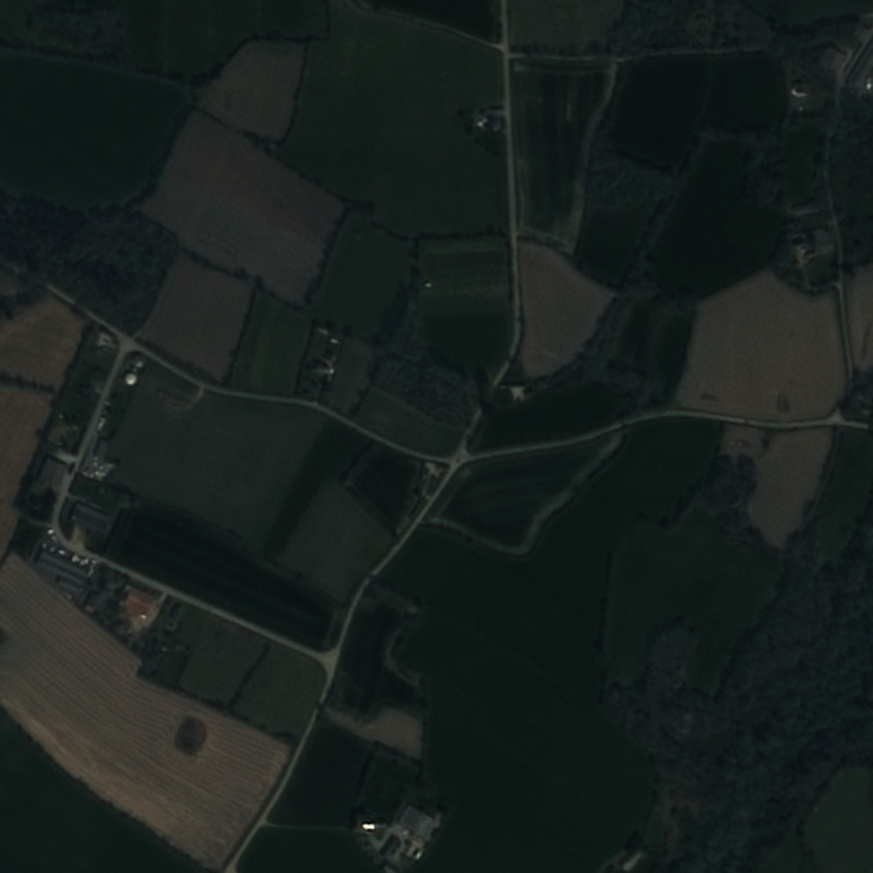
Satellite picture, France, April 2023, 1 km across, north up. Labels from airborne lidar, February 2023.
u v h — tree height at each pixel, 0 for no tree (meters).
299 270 0
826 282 14
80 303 6
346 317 0
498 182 0
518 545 0
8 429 0
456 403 25
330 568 0
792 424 0
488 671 0
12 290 0
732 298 0
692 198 0
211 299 0
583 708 0
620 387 9
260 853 0
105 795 0
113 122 0
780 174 11
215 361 0
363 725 0
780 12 0
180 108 0
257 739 0
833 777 8
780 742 9
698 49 11
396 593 12
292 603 0
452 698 0
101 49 0
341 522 0
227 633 0
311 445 0
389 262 0
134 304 13
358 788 7
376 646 0
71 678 0
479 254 0
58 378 0
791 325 0
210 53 0
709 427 0
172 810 0
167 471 0
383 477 0
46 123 0
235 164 0
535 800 0
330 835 0
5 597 0
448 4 0
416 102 0
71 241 19
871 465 0
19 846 0
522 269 0
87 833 0
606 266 0
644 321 0
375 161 0
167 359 13
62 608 0
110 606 10
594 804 0
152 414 0
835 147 10
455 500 0
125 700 0
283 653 0
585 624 0
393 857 0
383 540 0
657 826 0
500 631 0
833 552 0
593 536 0
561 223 0
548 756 0
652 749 12
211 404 0
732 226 0
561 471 0
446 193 0
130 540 0
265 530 0
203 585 0
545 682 0
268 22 0
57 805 0
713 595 0
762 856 15
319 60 0
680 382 17
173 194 0
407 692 0
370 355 0
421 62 0
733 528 14
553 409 0
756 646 21
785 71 6
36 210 16
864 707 22
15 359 0
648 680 8
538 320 0
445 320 0
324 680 0
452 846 0
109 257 13
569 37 0
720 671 0
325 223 0
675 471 0
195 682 0
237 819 0
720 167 0
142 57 0
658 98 0
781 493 0
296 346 0
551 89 0
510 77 0
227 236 0
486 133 0
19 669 0
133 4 0
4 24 0
